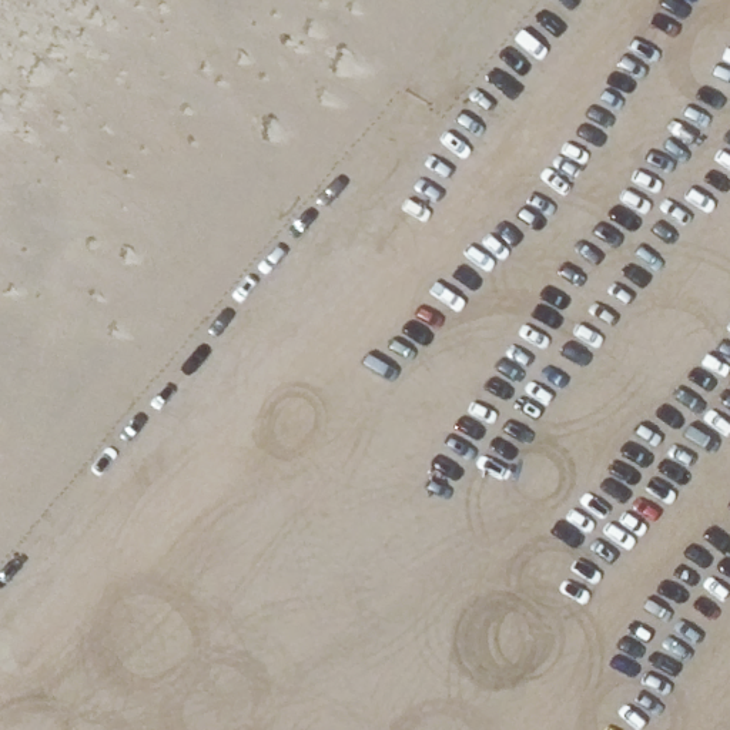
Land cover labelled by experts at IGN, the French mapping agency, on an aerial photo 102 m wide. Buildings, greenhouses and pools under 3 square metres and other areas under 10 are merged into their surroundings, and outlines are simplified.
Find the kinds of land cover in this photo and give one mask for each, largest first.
<instances>
[{"label":"bare soil","instance_id":"1","mask_svg":"<svg viewBox=\"0 0 730 730\"><path fill-rule=\"evenodd\" d=\"M0 730H730V0H0Z\"/></svg>","mask_w":730,"mask_h":730}]
</instances>
